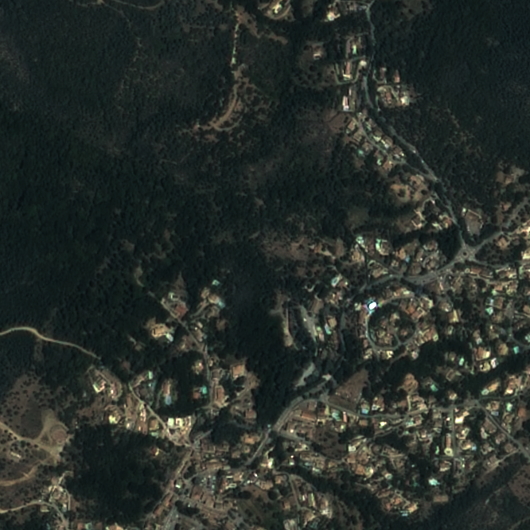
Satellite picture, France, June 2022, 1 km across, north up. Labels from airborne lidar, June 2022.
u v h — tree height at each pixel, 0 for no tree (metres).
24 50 8
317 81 12
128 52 6
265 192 9
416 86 11
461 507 6
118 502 19
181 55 9
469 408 0
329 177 6
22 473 0
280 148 7
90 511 8
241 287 10
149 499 10
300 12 16
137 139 14
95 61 10
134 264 17
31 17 9
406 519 6
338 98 7
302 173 9
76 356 16
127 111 8
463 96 13
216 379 0
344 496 15
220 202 10
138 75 9
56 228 16
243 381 9
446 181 10
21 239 18
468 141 9
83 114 8
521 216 9
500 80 8
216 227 14
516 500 9
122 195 18
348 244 8
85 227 19
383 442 10
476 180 8
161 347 8
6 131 13
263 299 13
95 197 11
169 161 8
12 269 7
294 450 14
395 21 9
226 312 11
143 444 13
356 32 6
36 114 10
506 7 12
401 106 6
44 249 9
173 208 16
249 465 9
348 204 11
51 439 0
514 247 7
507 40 6
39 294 11
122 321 19
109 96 13
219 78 6
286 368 18
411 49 8
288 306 7
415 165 14
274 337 19
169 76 9
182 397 16
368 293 10
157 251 14
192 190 7
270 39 9
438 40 10
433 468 10
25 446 6
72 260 16
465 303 12
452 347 16
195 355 17
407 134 7
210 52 9
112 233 18
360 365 8
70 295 15
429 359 13
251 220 13
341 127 7
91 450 11
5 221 11
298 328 14
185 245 16
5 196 11
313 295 6
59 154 14
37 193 16
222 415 15
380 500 7
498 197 7
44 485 8
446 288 0
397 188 0
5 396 8
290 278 9
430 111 7
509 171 12
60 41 8
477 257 12
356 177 13
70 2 8
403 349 13
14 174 17
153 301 13
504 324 6
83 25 13
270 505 8
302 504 6
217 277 11
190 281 10
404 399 11
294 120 11
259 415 18
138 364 14
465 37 10
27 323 15
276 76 11
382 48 10
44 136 16
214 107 10
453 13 9
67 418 10
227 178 11
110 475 8
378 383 9
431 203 11
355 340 11
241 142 6
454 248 12
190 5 13
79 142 9
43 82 8
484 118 8
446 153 12
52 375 12
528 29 13
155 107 7
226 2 18
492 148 10
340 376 10
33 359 13
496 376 9
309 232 7
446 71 10
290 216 7
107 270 15
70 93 10
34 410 0
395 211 12
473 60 12
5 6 8
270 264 8
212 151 10
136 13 6
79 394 10
